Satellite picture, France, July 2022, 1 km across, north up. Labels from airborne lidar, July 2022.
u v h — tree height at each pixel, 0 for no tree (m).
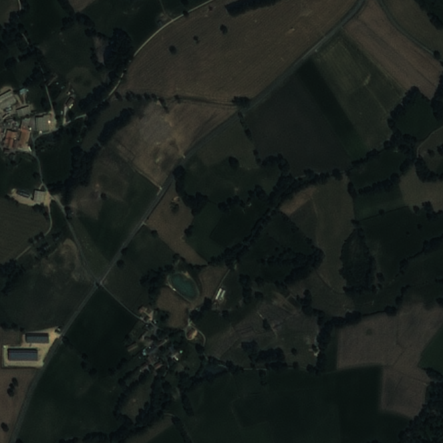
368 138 0
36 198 0
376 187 18
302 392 0
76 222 0
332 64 0
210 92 0
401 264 8
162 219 0
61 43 0
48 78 7
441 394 23
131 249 0
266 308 0
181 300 0
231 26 0
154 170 0
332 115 0
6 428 16
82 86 0
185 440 15
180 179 22
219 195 0
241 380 0
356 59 0
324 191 0
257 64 0
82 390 0
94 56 15
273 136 0
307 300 17
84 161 23
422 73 0
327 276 0
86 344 0
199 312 17
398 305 14
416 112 0
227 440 0
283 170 26
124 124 17
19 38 25
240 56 0
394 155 0
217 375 7
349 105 0
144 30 0
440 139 0
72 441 9
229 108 0
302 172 0
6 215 0
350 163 0
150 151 0
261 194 25
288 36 0
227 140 0
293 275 17
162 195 0
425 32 0
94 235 0
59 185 14
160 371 12
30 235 0
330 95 0
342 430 0
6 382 0
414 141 14
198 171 0
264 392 0
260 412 0
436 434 7
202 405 0
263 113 0
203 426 0
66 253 0
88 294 0
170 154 0
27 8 16
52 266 0
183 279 0
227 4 0
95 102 22
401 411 0
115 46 29
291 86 0
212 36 0
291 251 12
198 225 0
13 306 0
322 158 0
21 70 0
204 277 0
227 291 0
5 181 0
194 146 0
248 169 0
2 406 0
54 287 0
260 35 0
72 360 0
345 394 0
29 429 0
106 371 0
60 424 0
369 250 15
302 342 0
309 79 0
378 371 0
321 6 0
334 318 0
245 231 0
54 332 0
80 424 0
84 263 0
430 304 0
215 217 0
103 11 0
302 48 0
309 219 0
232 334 0
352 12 0
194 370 0
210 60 0
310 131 0
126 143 0
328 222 0
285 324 0
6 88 0
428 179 15
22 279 0
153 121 0
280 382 0
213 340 0
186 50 0
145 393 0
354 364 0
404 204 0
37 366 0
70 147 0
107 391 0
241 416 0
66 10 17
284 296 0
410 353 0
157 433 0
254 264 0
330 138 0
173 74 0
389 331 0
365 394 0
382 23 0
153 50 0
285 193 13
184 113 0
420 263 0
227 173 0
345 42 0
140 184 0
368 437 0
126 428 19
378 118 0
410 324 0
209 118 0
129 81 0
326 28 0
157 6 0
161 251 0
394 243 0
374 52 0
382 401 0
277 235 0
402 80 0
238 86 0
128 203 0
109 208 0
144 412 19
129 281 0
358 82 0
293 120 0
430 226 0
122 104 0
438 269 0
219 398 0
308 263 15
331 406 0
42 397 0
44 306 0
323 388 0
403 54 0
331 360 0
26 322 0
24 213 0
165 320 19
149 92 0
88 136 0
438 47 0
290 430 0
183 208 0
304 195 0
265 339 0
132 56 21
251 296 21
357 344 0
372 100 0
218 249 0
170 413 0
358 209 0
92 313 0
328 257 0
